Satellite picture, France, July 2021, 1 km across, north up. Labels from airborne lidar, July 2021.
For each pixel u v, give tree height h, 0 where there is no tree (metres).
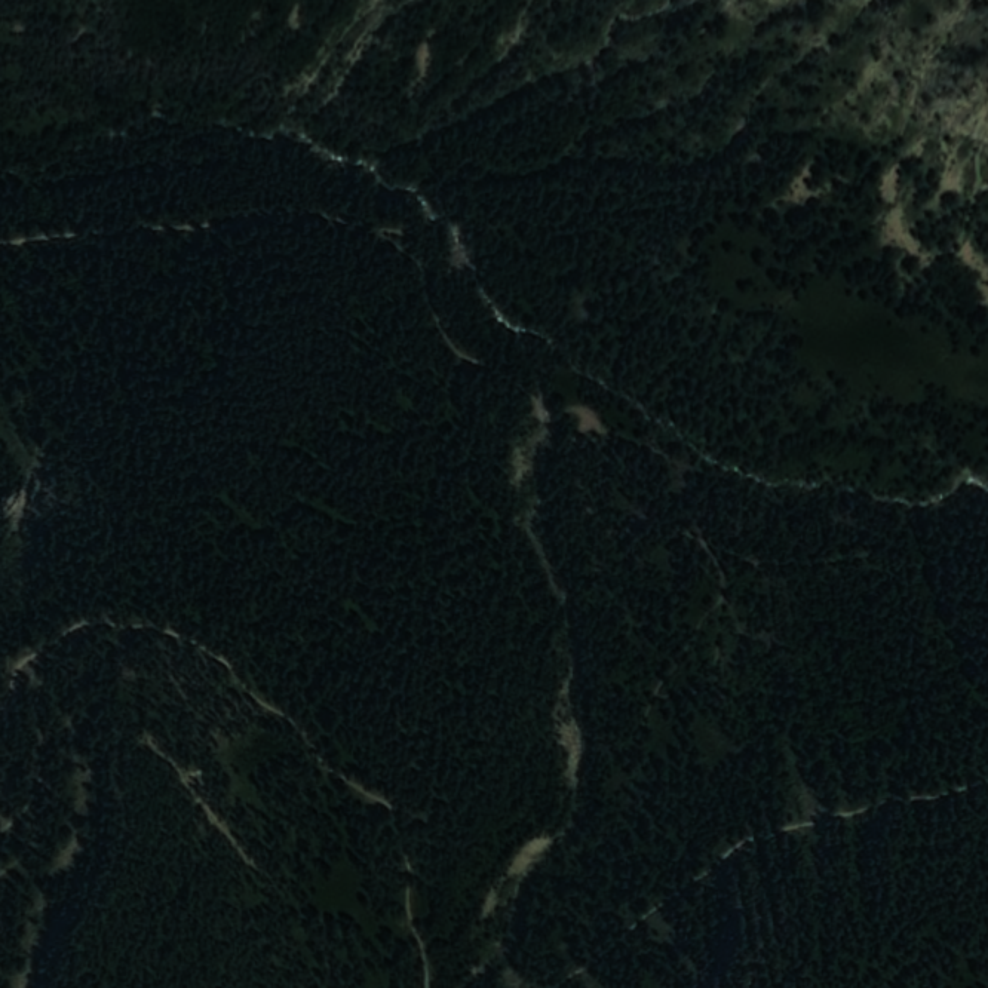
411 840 29
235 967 17
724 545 13
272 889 29
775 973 21
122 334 10
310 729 31
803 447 14
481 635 23
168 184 32
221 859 23
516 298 12
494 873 8
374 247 27
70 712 25
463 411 15
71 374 24
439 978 12
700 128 9
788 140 13
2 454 26
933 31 0
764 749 7
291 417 26
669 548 12
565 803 10
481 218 14
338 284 20
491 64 7
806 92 16
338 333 26
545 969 26
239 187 32
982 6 9
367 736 28
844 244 18
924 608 13
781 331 18
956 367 0
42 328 23
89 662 27
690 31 18
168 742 23
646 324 21
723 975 7
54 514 7
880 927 21
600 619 12
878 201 11
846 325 0
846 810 0
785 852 19
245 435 21
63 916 12
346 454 24
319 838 36
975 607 21
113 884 14
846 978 8
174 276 7
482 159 20
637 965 25
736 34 0
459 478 26
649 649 12
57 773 29
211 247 7
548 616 16
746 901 11
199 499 10
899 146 9
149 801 20
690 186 7
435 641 25
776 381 9
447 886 23
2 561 13
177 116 11
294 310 21
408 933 0
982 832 10
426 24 7
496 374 27
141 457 25
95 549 20
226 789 28
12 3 18
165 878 22
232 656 28
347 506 22
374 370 27
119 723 16
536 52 9
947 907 20
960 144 0
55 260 30
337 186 26
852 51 0
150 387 31
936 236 15
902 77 15
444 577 9
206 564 12
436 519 28
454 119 7
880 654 14
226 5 11
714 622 9
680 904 25
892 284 25
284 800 32
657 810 24
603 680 21
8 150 9
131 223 25
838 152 16
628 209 9
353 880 0
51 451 21
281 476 26
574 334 26
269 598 24
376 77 7
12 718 13
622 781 0
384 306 27
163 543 26
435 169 7
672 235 16
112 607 24
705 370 12
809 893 15
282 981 19
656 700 17
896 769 9
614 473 28
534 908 8
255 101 11
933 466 9
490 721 18
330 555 25
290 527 25
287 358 26
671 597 14
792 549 10
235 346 32
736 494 13
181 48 22
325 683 27
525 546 21
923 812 20
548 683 20
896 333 0
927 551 16
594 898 23
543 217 29
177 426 25
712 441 23
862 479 9
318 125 13
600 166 14
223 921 15
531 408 13
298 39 13
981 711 10
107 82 14
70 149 14
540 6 10
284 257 25
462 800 27
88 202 34
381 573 27
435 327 6
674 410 13
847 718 10
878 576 13
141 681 8
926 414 16
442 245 15
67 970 8
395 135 13
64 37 17
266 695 31
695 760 13
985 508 9
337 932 25
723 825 12
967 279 10
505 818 21
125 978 19
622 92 14
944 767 12
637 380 25
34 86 13
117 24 9
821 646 10
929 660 11
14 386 23
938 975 19
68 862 0
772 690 7
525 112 18
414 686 25
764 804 6
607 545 31
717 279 0
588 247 20
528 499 8
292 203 11
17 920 30
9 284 7
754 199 16
